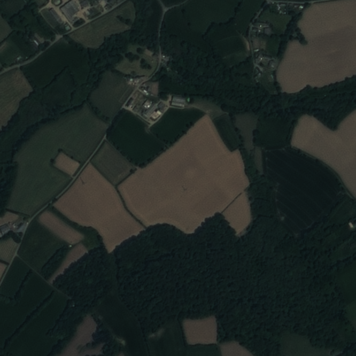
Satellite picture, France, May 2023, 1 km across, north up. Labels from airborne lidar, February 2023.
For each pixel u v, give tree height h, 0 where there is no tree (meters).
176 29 0
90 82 8
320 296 9
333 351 7
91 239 0
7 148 0
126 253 21
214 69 9
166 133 0
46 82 0
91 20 0
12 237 14
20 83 0
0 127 0
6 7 0
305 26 0
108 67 16
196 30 0
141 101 0
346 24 0
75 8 0
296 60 0
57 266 9
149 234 15
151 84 0
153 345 0
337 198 0
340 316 16
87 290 23
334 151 0
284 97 17
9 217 0
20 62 9
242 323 16
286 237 12
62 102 0
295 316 23
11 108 0
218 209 0
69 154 0
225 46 0
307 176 0
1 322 0
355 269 0
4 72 0
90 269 22
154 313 13
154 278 22
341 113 10
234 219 0
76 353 0
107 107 0
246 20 0
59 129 0
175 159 0
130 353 0
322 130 0
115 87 0
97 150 0
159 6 0
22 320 0
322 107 11
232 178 0
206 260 21
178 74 24
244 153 9
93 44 0
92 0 0
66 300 0
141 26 7
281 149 0
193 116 0
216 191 0
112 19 0
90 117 0
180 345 0
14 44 0
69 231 0
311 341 8
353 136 0
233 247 26
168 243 24
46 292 0
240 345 12
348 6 0
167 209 0
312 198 0
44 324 0
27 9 16
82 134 0
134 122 0
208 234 22
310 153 0
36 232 0
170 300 21
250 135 0
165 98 12
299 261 10
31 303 0
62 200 0
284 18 0
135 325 0
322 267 15
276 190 0
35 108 0
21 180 0
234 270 24
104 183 0
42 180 0
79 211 0
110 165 0
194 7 0
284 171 0
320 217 0
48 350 0
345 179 0
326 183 0
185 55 7
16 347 0
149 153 0
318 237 14
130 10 0
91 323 0
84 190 0
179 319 15
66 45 0
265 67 0
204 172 0
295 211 0
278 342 12
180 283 21
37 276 0
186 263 19
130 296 19
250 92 15
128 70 0
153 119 0
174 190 0
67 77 0
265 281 11
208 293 19
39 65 0
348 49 0
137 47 0
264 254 13
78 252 0
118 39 22
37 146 0
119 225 0
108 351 16
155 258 6
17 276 0
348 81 15
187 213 0
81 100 0
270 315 21
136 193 0
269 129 0
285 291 11
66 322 18
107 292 21
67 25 0
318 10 0
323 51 0
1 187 7
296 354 0
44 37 0
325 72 0
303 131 0
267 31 0
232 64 0
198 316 21
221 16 0
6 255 0
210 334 0
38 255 0
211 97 14
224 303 21
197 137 0
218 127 0
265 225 12
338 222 0
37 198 0
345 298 0
